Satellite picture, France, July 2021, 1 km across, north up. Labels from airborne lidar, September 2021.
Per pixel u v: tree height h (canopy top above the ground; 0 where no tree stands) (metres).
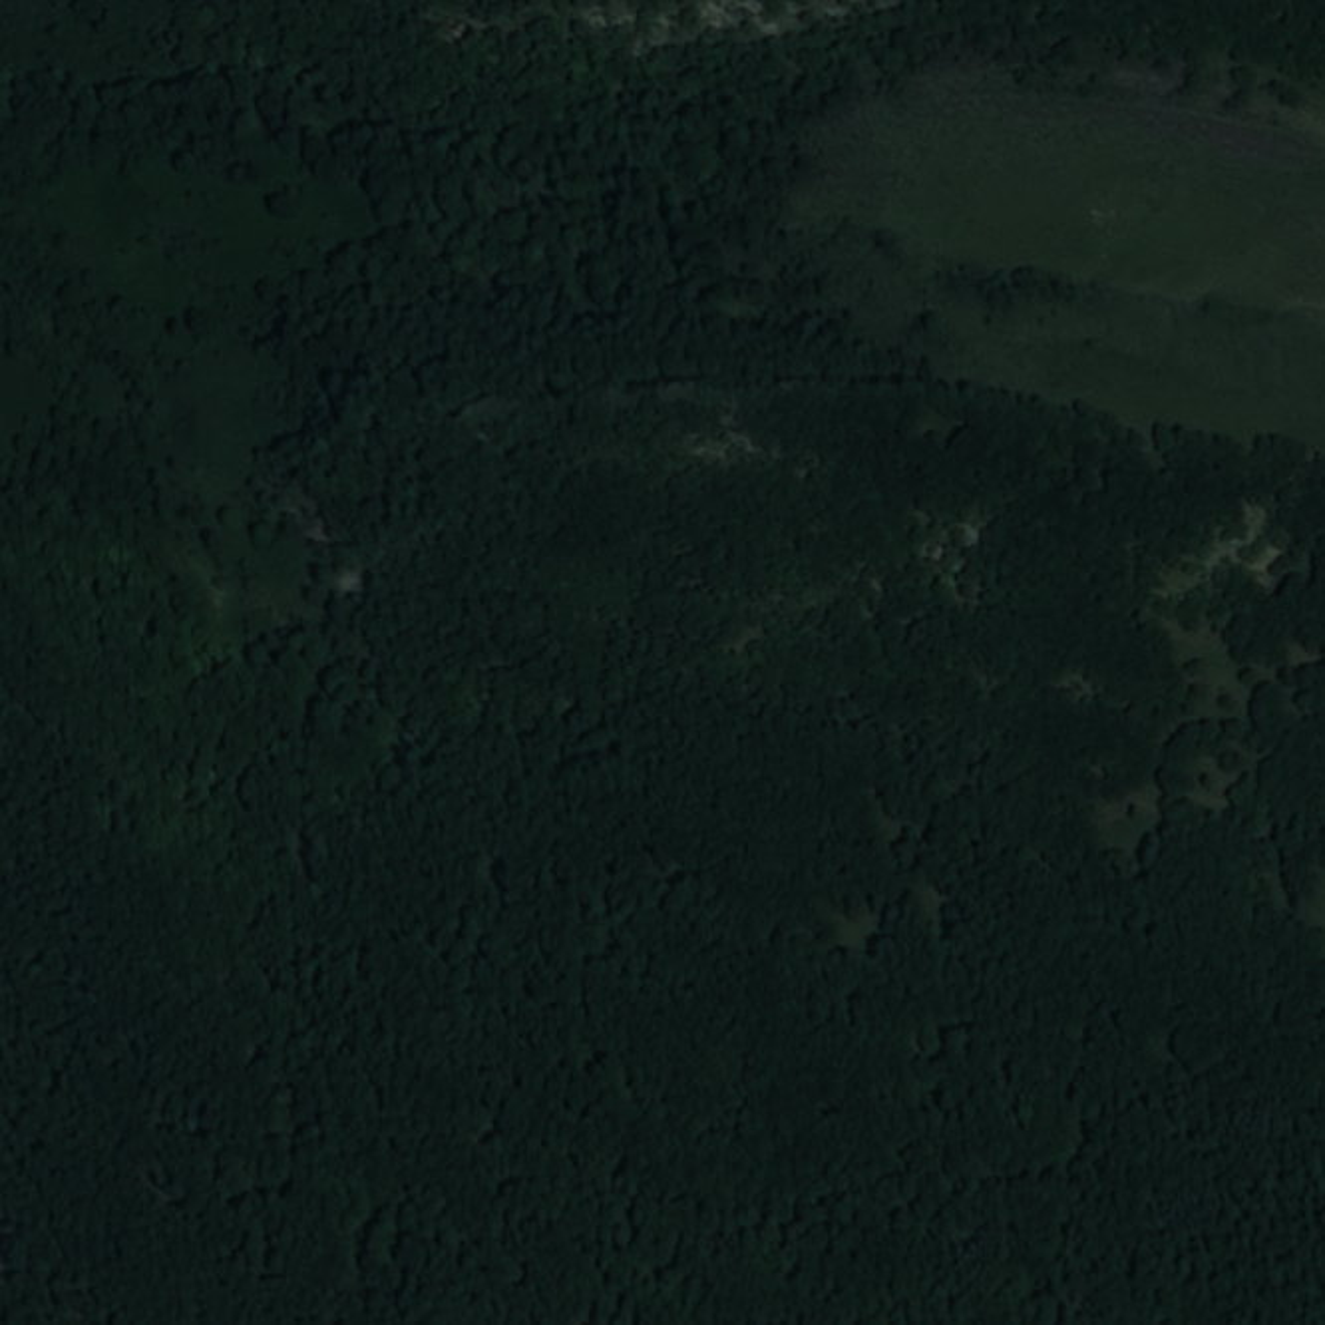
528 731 14
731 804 21
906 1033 21
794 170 7
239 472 0
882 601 15
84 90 25
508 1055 25
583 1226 25
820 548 16
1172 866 17
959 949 25
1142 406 0
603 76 22
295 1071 24
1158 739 23
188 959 22
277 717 22
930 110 0
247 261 0
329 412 11
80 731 18
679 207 17
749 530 16
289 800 29
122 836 17
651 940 20
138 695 27
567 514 16
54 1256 24
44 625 15
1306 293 0
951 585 18
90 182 0
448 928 24
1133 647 20
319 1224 21
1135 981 21
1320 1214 9
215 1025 25
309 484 16
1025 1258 20
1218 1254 18
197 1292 22
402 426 7
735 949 19
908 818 19
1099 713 20
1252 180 0
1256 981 23
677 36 9
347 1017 22
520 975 22
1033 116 0
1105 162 0
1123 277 0
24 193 9
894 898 24
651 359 26
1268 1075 21
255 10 26
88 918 25
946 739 17
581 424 16
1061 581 17
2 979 24
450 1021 23
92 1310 23
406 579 17
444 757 20
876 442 22
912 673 20
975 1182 22
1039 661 16
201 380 0
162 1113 13
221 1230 20
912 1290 20
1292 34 18
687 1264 24
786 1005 23
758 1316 24
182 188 0
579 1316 23
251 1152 21
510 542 17
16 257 13
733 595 15
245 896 31
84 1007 25
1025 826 18
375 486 21
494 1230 23
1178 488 22
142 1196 22
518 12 16
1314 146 0
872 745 20
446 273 29
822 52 10
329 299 16
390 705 30
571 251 20
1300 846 19
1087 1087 23
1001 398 17
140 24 10
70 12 8
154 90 19
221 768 24
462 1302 18
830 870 18
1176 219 0
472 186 27
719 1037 25
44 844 22
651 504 17
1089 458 26
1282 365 0
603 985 24
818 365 26
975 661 8
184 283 0
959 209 0
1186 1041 24
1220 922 17
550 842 22
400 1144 25
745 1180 22
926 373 11
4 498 15
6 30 12
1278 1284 20
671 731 19
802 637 15
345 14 18
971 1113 22
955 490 21
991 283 15
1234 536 13
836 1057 24
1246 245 0
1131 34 20
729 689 19
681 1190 18
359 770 30
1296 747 16
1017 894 21
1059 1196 24
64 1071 18
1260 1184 19
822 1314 20
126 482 14
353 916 25
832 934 21
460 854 26
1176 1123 23
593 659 8
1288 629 22
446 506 15
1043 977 21
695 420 8
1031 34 20
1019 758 19
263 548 9
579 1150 21
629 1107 19
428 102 23
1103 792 23
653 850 20
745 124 11
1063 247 0
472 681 28
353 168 24
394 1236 11
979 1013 19
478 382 25
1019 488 20
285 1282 15
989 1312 22
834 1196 16
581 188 22
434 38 22
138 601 31
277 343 15
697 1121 21
